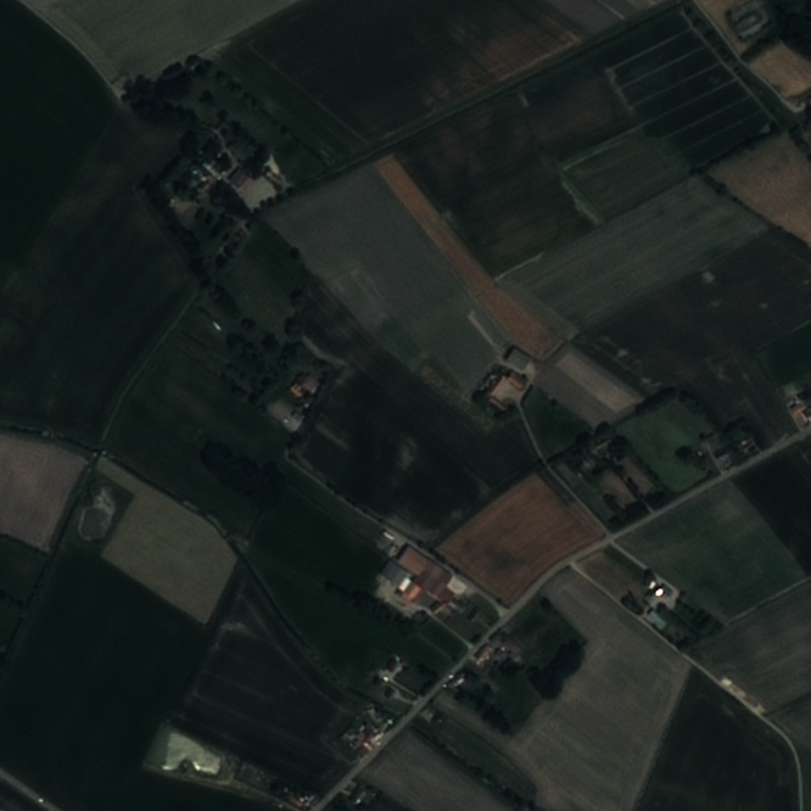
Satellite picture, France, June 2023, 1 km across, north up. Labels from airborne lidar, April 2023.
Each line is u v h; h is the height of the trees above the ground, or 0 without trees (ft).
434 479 0
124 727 0
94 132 0
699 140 0
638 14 0
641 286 0
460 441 0
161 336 0
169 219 47
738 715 0
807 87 0
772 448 0
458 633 0
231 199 83
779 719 0
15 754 0
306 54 0
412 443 0
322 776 0
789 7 72
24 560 0
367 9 0
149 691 0
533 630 0
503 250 0
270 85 0
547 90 0
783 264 0
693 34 0
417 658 0
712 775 0
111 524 0
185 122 61
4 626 0
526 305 0
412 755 0
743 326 0
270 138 0
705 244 0
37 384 0
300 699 0
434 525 0
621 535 0
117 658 0
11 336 0
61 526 0
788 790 0
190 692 0
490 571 0
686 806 0
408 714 0
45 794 0
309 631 0
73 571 0
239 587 0
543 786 0
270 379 52
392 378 0
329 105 0
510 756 0
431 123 0
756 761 0
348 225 0
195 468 0
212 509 0
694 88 0
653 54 0
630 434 0
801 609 0
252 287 0
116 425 0
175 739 0
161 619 0
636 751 0
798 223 0
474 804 0
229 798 0
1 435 0
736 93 0
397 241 0
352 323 0
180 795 0
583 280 0
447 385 0
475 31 0
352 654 0
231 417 0
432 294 0
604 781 0
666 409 0
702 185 0
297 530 0
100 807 0
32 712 0
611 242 0
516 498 0
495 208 0
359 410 0
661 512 0
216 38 0
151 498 0
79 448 0
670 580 0
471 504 0
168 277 0
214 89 0
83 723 0
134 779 0
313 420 0
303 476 0
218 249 0
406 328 0
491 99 0
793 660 0
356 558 0
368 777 0
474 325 0
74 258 0
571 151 0
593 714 0
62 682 0
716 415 0
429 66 0
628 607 20
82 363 0
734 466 0
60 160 0
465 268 0
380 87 0
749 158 0
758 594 0
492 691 51
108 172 0
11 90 0
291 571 0
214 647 0
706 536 0
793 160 0
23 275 0
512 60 0
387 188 0
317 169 0
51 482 0
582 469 20
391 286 0
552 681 87
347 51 0
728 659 0
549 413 0
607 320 0
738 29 0
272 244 0
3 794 0
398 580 0
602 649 0
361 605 86
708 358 0
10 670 0
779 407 0
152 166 0
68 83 0
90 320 0
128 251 0
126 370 0
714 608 0
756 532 0
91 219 0
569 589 0
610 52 0
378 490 0
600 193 0
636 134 0
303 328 0
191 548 0
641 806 0
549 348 0
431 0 0
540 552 0
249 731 0
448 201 0
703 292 0
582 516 0
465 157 0
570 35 0
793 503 0
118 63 0
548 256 0
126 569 0
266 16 0
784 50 0
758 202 0
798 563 0
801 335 0
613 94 0
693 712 0
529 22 0
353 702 0
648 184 0
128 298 0
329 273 0
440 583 0
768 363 0
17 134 0
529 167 0
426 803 0
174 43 0
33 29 0
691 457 42
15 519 0
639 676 0
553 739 0
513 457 0
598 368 0
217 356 0
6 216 0
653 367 0
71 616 0
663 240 0
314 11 0
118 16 0
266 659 0
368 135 0
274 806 0
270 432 0
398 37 0
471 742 0
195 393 0
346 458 0
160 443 0
